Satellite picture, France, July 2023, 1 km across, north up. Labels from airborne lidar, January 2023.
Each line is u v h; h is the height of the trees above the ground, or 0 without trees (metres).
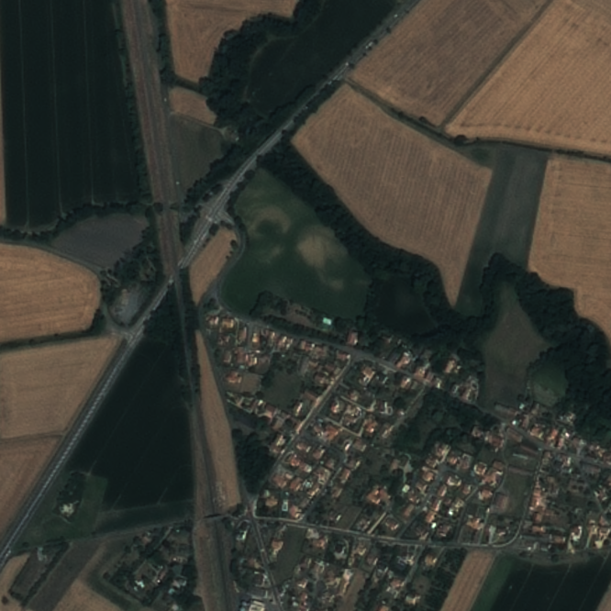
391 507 0
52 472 0
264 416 7
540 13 0
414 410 0
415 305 0
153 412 0
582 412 8
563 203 0
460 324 19
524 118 0
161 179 0
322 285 0
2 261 0
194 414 0
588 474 10
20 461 0
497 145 0
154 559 16
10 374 0
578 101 0
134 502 0
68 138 0
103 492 0
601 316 0
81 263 0
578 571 0
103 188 0
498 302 12
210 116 0
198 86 0
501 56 0
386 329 6
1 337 0
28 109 0
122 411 0
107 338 0
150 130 0
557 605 0
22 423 0
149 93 0
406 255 17
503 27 0
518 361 0
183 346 14
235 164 23
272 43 0
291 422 12
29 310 0
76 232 0
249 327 0
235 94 11
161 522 0
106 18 0
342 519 0
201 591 0
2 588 0
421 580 0
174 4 0
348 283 0
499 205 0
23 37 0
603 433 15
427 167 0
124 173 0
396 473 9
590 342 34
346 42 0
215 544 0
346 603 0
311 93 14
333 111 0
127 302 0
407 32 0
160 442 0
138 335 0
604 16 0
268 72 0
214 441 0
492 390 0
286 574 0
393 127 0
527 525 0
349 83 0
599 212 0
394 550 7
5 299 0
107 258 0
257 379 0
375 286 12
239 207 0
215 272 0
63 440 0
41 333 0
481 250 0
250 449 16
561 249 0
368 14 0
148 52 0
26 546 7
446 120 0
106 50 0
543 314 21
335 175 0
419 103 0
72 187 0
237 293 0
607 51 0
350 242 15
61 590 0
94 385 0
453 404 11
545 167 0
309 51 0
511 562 0
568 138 0
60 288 0
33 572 0
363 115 0
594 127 0
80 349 0
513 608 0
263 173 0
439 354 12
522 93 0
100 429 0
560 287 0
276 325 17
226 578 0
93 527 0
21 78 0
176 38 0
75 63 0
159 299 0
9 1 0
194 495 0
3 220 0
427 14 0
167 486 0
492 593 0
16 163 0
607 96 0
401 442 7
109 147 0
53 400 0
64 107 0
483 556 0
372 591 7
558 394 0
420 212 0
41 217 0
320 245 0
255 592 0
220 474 0
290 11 0
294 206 0
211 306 10
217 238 0
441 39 0
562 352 20
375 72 0
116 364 0
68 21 0
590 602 0
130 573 8
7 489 0
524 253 0
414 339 12
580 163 0
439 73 0
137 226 0
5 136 0
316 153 0
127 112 0
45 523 0
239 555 13
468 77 0
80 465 0
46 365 0
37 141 0
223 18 0
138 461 0
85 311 0
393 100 0
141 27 0
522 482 0
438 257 0
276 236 0
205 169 0
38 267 0
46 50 0
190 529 13
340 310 0
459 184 0
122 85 0
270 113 0
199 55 0
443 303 15
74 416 0
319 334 12
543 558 0
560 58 0
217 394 0
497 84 0
